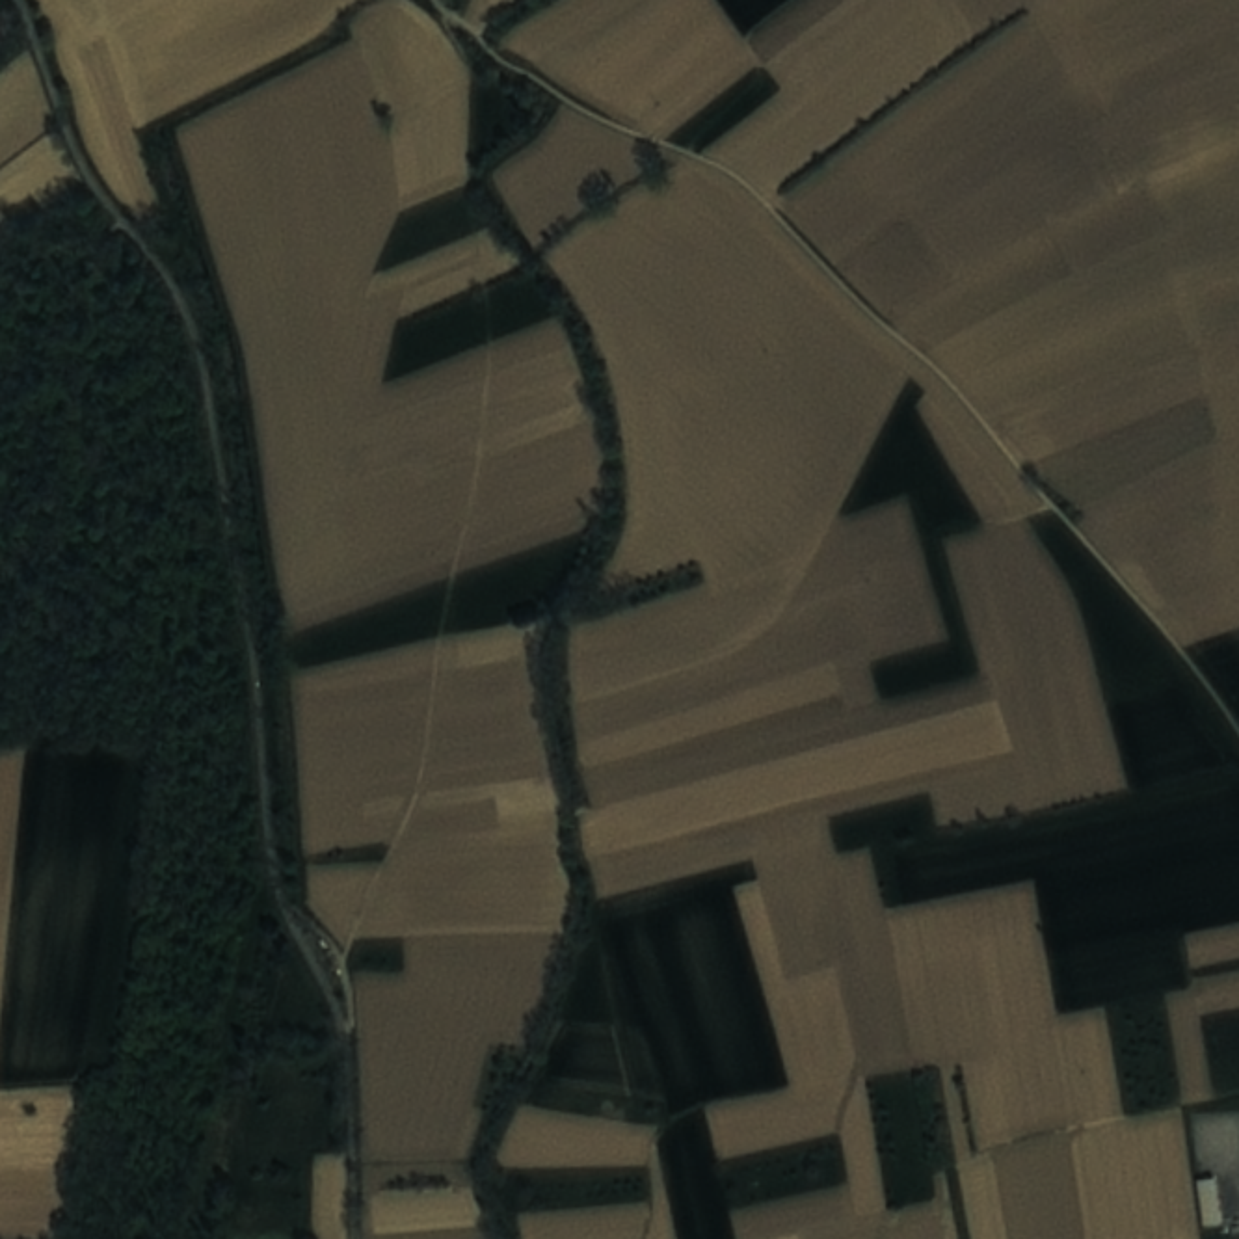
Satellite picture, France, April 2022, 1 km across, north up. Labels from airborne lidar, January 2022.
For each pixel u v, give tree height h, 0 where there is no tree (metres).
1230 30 0
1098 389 0
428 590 0
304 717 0
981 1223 0
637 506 0
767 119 0
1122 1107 0
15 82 0
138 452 26
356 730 0
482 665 0
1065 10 0
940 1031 0
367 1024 0
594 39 0
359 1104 19
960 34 0
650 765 0
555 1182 0
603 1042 0
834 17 0
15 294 25
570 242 0
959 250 0
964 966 0
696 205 0
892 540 0
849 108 0
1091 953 0
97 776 0
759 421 0
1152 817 0
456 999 0
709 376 0
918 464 0
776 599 0
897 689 0
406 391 0
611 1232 0
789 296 0
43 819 0
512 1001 0
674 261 0
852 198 0
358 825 0
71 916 0
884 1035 0
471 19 0
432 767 0
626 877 0
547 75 0
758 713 0
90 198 23
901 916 0
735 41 0
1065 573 0
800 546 0
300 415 0
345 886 0
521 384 0
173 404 18
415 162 0
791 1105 0
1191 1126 0
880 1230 0
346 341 0
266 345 0
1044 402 0
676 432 0
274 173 0
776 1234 0
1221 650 0
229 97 0
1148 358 0
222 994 28
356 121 0
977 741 0
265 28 0
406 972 0
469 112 0
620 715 0
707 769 0
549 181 0
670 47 0
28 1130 0
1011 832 0
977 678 0
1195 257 0
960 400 0
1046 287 0
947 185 0
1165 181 0
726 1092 0
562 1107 0
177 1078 28
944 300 0
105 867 0
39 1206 0
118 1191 28
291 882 14
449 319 0
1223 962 0
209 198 0
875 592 0
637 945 0
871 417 0
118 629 27
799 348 0
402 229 0
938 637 0
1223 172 0
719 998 0
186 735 12
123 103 0
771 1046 0
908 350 0
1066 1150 0
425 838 0
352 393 0
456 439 0
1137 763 0
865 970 0
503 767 0
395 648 0
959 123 0
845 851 0
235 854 15
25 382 27
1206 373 0
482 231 0
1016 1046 0
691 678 0
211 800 19
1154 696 0
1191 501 0
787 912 0
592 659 0
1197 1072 0
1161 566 0
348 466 0
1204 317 0
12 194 0
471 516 0
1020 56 0
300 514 0
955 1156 0
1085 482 0
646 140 0
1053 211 0
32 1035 0
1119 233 0
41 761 0
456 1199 0
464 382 0
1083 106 0
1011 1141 0
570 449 0
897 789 0
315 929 23
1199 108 0
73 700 24
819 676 0
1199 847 0
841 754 0
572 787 19
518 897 0
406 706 0
